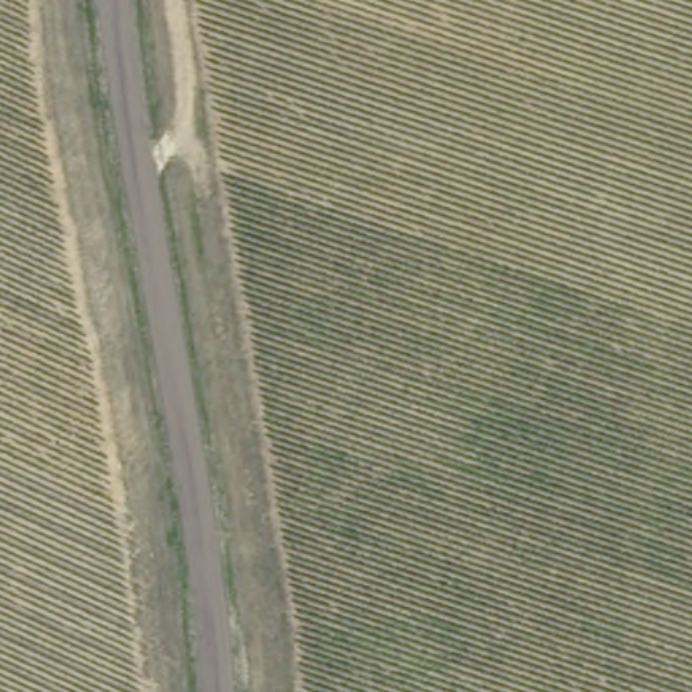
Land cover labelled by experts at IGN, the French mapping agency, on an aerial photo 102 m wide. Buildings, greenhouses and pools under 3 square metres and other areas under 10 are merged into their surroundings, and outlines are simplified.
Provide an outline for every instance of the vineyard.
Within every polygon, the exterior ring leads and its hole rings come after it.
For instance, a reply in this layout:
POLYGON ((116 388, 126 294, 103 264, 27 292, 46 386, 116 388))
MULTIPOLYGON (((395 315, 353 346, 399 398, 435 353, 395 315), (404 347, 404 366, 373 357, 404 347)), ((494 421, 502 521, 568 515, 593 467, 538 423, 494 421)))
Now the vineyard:
POLYGON ((0 0, 0 692, 159 692, 154 678, 143 676, 143 630, 135 619, 130 557, 130 533, 135 530, 135 522, 127 522, 122 465, 116 457, 116 443, 105 443, 100 449, 100 435, 114 433, 111 405, 103 378, 97 332, 87 311, 76 222, 70 219, 68 208, 57 135, 46 103, 41 11, 32 0, 0 0))
POLYGON ((205 159, 189 170, 197 195, 208 203, 219 203, 222 208, 222 235, 227 241, 230 284, 241 319, 254 427, 260 433, 268 514, 273 524, 273 546, 278 554, 281 587, 287 600, 292 692, 692 692, 692 0, 181 0, 187 11, 187 38, 195 65, 195 135, 205 151, 205 159))

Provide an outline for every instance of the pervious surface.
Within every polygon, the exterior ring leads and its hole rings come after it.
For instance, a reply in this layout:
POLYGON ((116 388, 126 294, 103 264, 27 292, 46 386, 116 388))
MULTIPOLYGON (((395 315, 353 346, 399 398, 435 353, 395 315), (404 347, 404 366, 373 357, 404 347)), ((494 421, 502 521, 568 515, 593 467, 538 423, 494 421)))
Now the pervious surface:
POLYGON ((173 124, 157 141, 154 162, 162 170, 170 157, 184 159, 189 170, 205 159, 205 151, 195 135, 195 65, 187 38, 187 11, 181 0, 170 0, 165 5, 165 16, 173 43, 176 114, 173 124))

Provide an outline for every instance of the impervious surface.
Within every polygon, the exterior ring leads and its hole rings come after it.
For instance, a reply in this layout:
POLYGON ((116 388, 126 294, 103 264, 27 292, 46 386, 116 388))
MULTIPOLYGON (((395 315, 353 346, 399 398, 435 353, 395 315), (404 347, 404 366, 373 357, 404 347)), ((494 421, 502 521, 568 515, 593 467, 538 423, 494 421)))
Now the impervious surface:
POLYGON ((170 262, 157 181, 162 170, 154 162, 157 141, 151 138, 149 127, 135 5, 130 0, 97 0, 95 22, 100 92, 111 100, 114 108, 114 127, 127 197, 124 205, 130 214, 127 224, 135 246, 138 281, 151 327, 157 360, 154 387, 159 389, 162 414, 168 424, 173 487, 181 505, 181 535, 189 562, 189 603, 195 608, 195 622, 189 630, 192 649, 197 649, 200 692, 235 692, 219 530, 214 516, 211 478, 203 451, 203 433, 184 343, 176 273, 170 262))

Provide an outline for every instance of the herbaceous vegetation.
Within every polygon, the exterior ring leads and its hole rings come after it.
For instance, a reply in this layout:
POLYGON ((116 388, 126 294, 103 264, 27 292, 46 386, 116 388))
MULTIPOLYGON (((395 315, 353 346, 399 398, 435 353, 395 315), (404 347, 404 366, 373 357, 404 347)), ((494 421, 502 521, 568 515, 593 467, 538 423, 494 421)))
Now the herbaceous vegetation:
POLYGON ((157 141, 173 124, 176 114, 173 43, 165 16, 165 5, 170 0, 130 0, 135 5, 149 127, 151 138, 157 141))
POLYGON ((97 332, 103 378, 111 405, 114 433, 100 435, 100 449, 105 443, 116 443, 116 457, 122 465, 127 522, 135 522, 135 530, 130 533, 130 557, 135 619, 143 630, 143 676, 154 678, 159 692, 200 692, 197 649, 192 649, 189 630, 195 622, 195 608, 189 603, 189 562, 181 535, 181 505, 173 487, 168 424, 162 414, 159 389, 154 387, 157 360, 151 327, 138 281, 135 246, 127 224, 130 214, 124 205, 127 197, 114 127, 114 108, 111 100, 100 92, 95 22, 97 0, 32 0, 41 11, 46 103, 57 135, 68 208, 70 219, 76 222, 87 311, 97 332))
POLYGON ((230 284, 227 241, 222 235, 222 208, 219 203, 208 203, 197 195, 189 170, 184 159, 170 157, 162 170, 157 181, 170 262, 176 273, 184 343, 203 433, 203 451, 211 478, 214 516, 219 530, 235 692, 292 692, 287 600, 281 587, 278 554, 273 546, 273 524, 268 514, 260 433, 254 427, 241 319, 230 284))

